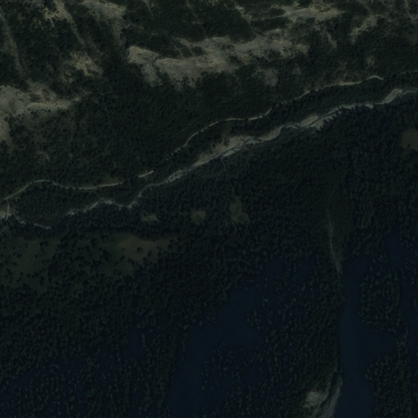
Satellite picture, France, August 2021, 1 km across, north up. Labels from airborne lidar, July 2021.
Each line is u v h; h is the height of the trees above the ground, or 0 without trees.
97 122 8
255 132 19
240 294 13
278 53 7
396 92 0
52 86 8
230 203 19
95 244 13
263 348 18
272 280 21
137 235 15
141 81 6
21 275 8
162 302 12
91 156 11
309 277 26
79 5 6
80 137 7
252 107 10
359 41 10
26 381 22
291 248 15
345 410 0
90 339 11
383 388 12
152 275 14
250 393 17
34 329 21
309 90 9
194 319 21
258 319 9
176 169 9
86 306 13
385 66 7
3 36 7
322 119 0
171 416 13
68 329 15
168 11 8
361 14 7
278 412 14
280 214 22
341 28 8
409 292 7
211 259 32
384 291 22
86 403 33
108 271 0
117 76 14
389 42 9
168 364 7
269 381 21
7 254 0
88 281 10
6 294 24
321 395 0
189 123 8
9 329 25
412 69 10
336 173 21
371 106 0
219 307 9
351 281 13
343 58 10
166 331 8
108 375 12
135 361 9
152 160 11
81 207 13
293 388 16
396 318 13
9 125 7
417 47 9
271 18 9
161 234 18
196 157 7
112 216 19
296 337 23
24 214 15
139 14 8
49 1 18
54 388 29
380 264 19
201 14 7
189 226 24
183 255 13
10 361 20
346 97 7
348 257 11
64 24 11
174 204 20
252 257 28
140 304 34
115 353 19
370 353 10
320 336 17
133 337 6
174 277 16
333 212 5
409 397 7
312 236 7
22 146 7
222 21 7
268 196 9
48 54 6
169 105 8
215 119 14
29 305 11
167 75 7
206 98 10
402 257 14
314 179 10
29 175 10
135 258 0
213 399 21
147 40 9
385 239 13
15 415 20
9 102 0
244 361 14
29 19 7
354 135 6
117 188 9
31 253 0
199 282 14
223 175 7
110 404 22
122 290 15
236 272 27
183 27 9
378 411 15
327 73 9
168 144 14
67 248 13
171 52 6
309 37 7
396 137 9
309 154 9
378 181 14
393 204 16
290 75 7
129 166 10
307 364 14
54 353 13
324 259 24
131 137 10
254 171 13
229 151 0
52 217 7
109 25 5
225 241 14
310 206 11
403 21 8
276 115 15
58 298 15
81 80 24
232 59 9
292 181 13
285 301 9
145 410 28
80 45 6
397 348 14
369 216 32
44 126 10
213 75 7
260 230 30
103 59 10
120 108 9
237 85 8
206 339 17
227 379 9
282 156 22
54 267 14
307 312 30
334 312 9
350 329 0
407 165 18
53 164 6
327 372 6
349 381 0
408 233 30
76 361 28
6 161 9
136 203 0
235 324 7
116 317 11
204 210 22
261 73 6
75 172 10
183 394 7
